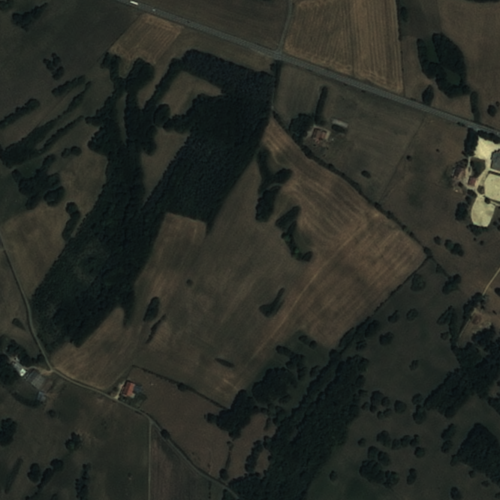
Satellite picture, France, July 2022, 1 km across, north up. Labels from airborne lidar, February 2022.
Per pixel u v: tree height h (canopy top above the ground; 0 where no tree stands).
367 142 0
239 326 0
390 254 0
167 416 0
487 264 0
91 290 8
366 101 0
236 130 10
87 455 0
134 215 11
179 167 14
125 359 0
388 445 7
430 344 0
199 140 6
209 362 0
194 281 0
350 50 0
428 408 7
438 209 0
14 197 0
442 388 11
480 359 20
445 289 8
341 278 0
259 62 0
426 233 0
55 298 7
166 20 0
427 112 0
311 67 0
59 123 0
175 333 0
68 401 0
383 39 0
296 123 8
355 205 0
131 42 0
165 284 0
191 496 0
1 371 18
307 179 0
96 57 0
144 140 14
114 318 0
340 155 0
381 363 0
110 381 0
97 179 0
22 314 0
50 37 0
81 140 0
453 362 0
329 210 0
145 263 11
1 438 14
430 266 0
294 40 0
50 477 13
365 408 7
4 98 0
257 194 0
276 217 0
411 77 0
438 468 0
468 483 0
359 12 0
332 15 0
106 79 0
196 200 9
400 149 0
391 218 7
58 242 0
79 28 0
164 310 0
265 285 0
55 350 0
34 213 0
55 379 0
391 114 0
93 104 0
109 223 17
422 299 0
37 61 0
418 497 0
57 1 0
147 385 0
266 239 0
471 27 0
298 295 0
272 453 12
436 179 0
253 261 0
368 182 0
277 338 0
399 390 0
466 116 0
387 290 0
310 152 13
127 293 13
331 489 0
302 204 0
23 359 16
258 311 0
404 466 0
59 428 0
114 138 18
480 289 0
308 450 15
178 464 0
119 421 0
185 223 0
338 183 0
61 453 0
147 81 10
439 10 0
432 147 0
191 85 0
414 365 8
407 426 0
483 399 10
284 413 12
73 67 0
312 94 0
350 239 0
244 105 10
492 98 0
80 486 7
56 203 8
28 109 11
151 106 13
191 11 0
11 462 0
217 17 0
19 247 0
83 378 0
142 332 0
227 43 0
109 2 0
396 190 0
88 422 0
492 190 0
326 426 16
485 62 0
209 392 0
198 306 0
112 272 14
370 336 16
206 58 20
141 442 0
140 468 0
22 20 12
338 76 0
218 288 0
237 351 0
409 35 0
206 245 0
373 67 0
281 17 0
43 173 6
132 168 6
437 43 14
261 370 0
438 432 0
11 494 0
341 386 16
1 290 0
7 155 8
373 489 0
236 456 0
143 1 0
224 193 10
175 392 0
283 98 0
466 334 0
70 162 0
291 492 5
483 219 0
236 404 13
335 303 0
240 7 0
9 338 0
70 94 0
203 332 0
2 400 0
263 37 0
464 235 0
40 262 0
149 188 0
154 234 13
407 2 0
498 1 11
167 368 0
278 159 0
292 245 11
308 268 0
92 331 9
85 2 0
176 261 0
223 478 14
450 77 0
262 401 10
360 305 0
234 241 0
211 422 15
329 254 0
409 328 0
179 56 0
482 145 0
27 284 0
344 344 5
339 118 0
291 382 10
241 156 7
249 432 0
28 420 0
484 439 20
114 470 0
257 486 18
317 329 0
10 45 0
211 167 7
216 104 14
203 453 0
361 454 0
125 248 20
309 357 0
